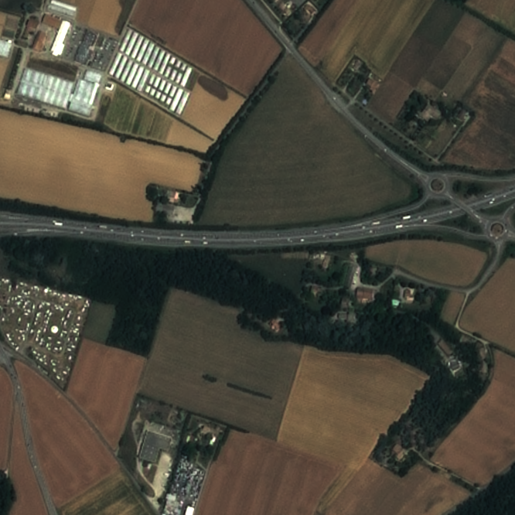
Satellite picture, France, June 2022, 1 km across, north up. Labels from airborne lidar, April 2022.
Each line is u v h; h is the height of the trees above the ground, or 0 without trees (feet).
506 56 0
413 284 39
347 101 0
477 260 0
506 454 0
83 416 0
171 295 0
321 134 0
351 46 0
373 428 0
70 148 0
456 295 0
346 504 0
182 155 0
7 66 0
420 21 0
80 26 0
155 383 0
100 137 0
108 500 0
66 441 0
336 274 33
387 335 45
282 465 0
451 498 0
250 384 0
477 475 0
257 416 0
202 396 0
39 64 0
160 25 0
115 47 0
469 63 0
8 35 0
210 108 0
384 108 0
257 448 0
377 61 0
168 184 0
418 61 0
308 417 0
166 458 0
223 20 0
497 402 0
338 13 0
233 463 0
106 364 0
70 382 0
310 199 0
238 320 28
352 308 25
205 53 0
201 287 38
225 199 0
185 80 0
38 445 0
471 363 34
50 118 28
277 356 0
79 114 0
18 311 0
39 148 0
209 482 0
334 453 0
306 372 0
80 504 0
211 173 22
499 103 0
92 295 34
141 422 0
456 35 0
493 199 0
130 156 0
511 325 0
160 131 0
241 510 0
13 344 0
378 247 0
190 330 0
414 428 58
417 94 27
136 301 29
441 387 39
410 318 56
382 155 0
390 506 0
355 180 0
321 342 36
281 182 0
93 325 0
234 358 0
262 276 20
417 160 38
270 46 0
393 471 21
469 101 0
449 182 0
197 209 27
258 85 25
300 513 0
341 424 0
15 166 0
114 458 0
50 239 35
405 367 0
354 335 62
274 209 0
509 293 0
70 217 19
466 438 0
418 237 28
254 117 0
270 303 41
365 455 0
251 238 0
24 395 0
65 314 0
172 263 30
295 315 44
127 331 37
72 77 0
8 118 0
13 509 0
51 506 0
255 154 0
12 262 37
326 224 0
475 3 0
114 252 35
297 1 0
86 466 0
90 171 0
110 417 0
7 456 0
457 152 0
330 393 0
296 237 0
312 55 0
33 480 0
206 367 0
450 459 0
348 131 0
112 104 0
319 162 0
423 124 23
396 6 0
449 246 0
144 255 33
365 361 0
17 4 0
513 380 0
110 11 0
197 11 0
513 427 0
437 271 0
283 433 0
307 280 36
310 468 0
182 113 0
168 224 19
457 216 0
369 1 0
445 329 27
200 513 0
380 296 50
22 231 0
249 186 0
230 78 0
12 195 0
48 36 0
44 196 0
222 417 0
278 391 0
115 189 0
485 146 0
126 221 34
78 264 19
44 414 0
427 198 0
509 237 0
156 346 0
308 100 0
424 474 0
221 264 48
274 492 0
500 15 0
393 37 0
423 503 0
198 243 0
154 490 0
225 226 30
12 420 0
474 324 0
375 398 0
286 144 0
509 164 0
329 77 0
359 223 0
